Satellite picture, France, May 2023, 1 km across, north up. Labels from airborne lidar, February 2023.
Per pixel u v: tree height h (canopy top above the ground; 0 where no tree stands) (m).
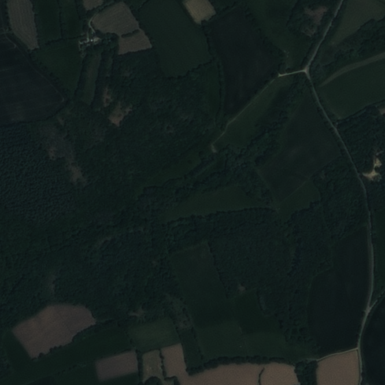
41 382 0
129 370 0
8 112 0
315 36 10
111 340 0
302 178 0
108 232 8
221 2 0
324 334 0
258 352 0
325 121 7
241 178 20
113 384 0
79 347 0
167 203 6
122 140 13
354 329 0
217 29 0
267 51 0
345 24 0
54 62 0
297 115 0
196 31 0
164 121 9
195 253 0
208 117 8
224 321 0
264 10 0
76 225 19
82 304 12
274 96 0
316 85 6
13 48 0
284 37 0
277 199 0
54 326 0
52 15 0
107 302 16
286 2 0
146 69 16
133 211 13
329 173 12
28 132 16
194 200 0
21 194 14
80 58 0
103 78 13
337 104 0
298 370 14
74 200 10
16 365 0
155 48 11
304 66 6
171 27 0
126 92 15
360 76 0
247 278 19
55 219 20
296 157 0
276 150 16
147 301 7
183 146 13
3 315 20
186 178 22
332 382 0
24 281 19
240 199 0
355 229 10
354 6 0
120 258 17
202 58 0
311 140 0
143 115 15
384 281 0
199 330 0
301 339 9
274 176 0
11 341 0
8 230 14
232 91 0
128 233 8
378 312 0
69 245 9
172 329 0
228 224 15
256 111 0
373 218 9
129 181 15
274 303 17
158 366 0
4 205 18
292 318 26
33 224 16
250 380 0
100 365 0
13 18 0
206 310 0
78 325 0
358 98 0
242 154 7
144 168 16
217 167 0
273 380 0
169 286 10
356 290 0
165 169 15
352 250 0
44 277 12
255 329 0
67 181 11
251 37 0
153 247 16
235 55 0
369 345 0
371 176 0
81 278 19
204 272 0
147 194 18
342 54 8
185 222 13
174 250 17
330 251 10
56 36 0
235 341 0
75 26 0
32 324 0
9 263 13
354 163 12
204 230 18
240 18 0
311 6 11
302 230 18
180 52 0
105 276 18
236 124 0
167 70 0
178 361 0
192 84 14
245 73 0
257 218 13
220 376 0
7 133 18
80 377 0
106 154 10
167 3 0
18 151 11
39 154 15
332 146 0
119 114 0
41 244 21
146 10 0
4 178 13
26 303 19
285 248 23
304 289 16
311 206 13
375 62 0
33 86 0
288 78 0
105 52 16
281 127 13
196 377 0
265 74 0
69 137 8
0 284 10
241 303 0
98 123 6
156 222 16
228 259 16
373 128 17
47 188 14
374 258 6
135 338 0
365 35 7
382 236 0
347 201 15
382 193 17
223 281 15
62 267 11
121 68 10
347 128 15
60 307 0
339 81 0
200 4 0
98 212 19
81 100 9
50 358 0
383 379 0
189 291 0
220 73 9
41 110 0
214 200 0
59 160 14
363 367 6
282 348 0
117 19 0
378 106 6
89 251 10
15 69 0
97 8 6
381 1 0
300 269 21
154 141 12
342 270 0
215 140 0
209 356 0
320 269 11
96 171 9
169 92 12
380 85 0
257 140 15
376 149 17
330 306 0
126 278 15
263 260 16
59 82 15
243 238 15
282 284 25
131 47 0
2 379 12
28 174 15
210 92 0
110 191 14
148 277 19
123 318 10
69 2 0
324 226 16
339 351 0
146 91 17
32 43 0
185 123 9
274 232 22
